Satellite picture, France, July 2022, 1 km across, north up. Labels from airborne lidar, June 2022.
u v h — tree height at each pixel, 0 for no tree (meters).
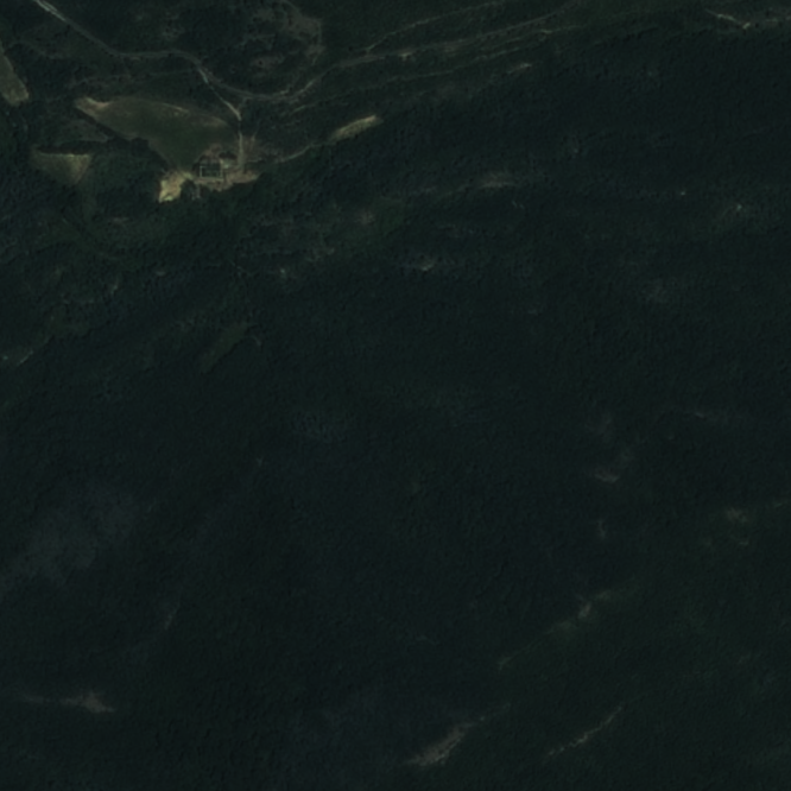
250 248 9
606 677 12
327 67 7
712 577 11
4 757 8
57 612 12
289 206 9
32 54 8
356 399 12
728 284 10
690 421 11
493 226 8
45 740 9
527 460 7
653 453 12
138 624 12
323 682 10
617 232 9
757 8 9
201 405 11
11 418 13
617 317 8
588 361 12
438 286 10
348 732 8
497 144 9
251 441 9
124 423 12
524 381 10
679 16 12
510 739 14
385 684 8
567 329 9
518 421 9
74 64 11
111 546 6
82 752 9
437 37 10
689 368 9
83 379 10
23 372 9
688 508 13
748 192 6
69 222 8
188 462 5
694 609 6
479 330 11
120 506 7
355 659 11
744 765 6
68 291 6
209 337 11
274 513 12
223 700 18
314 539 7
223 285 9
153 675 11
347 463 6
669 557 10
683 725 15
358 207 5
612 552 7
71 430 9
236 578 13
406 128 6
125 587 12
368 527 10
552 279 8
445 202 10
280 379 14
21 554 8
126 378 8
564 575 5
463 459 10
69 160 0
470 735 9
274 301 11
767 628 10
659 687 12
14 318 11
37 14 9
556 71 10
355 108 8
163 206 8
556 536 10
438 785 10
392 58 7
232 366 8
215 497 11
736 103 10
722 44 13
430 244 7
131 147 6
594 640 12
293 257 8
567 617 6
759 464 7
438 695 10
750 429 6
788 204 9
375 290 9
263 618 17
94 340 9
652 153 10
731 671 9
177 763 9
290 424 8
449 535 7
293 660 13
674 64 13
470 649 7
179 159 0
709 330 10
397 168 9
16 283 8
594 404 8
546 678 9
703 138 12
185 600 13
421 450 12
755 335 7
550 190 9
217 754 17
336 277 10
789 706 13
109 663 10
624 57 10
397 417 9
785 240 10
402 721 6
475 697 7
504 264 8
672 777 19
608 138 10
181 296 9
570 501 9
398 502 11
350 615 8
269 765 7
